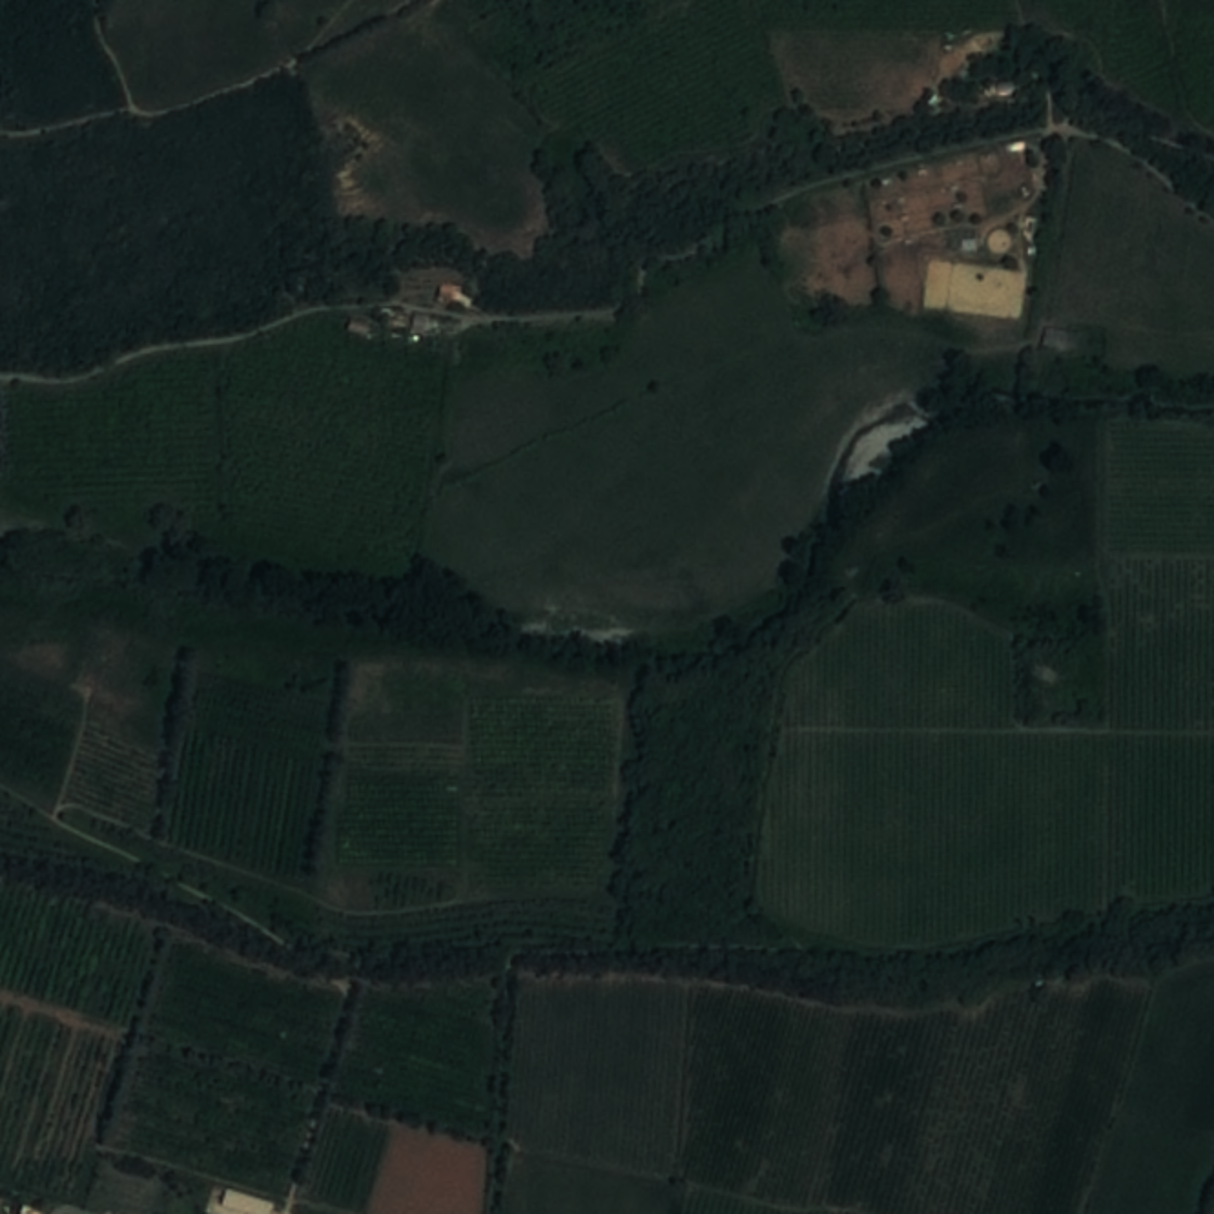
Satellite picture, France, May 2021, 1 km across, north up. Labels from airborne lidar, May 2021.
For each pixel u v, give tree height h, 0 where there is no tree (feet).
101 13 29
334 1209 0
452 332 0
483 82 0
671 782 60
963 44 0
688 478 0
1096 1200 0
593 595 0
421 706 0
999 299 0
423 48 0
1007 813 0
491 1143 43
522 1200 0
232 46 0
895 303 0
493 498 0
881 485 61
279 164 22
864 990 38
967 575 0
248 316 19
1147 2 0
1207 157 70
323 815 53
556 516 0
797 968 34
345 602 87
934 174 0
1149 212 0
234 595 87
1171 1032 0
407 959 51
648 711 50
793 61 0
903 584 53
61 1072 0
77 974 18
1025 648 30
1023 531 51
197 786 19
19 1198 25
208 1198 0
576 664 38
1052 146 51
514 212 0
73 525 58
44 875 67
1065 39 37
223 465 19
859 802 0
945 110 25
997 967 36
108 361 48
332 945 30
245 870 0
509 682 0
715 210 34
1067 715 24
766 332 0
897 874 0
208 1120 19
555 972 50
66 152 19
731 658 54
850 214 0
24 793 0
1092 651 25
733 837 60
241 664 0
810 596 60
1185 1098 0
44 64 21
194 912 74
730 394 0
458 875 0
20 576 20
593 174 50
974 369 68
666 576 0
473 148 0
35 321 24
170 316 30
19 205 18
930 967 58
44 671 0
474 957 74
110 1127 45
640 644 35
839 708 0
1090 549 0
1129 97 52
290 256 31
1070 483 0
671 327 0
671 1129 0
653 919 40
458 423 0
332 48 27
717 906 48
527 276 34
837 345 0
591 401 0
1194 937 26
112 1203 0
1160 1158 0
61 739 17
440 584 104
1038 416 38
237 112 17
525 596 0
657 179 30
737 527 0
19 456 18
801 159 34
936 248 0
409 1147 0
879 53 0
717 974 50
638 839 58
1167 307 0
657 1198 0
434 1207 0
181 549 85
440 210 0
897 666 0
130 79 0
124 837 31
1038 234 26
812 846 0
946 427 54
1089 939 32
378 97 0
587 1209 0
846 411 0
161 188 17
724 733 50
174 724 70
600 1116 0
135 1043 52
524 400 0
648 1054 0
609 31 22
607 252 33
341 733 56
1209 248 0
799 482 0
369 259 26
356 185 0
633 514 0
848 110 0
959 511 0
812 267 0
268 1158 19
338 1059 50
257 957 67
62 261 24
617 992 0
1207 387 57
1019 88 23
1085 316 0
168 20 0
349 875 0
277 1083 47
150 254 21
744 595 0
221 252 27
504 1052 26
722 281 0
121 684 0
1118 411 24
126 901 58
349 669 61
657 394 34
